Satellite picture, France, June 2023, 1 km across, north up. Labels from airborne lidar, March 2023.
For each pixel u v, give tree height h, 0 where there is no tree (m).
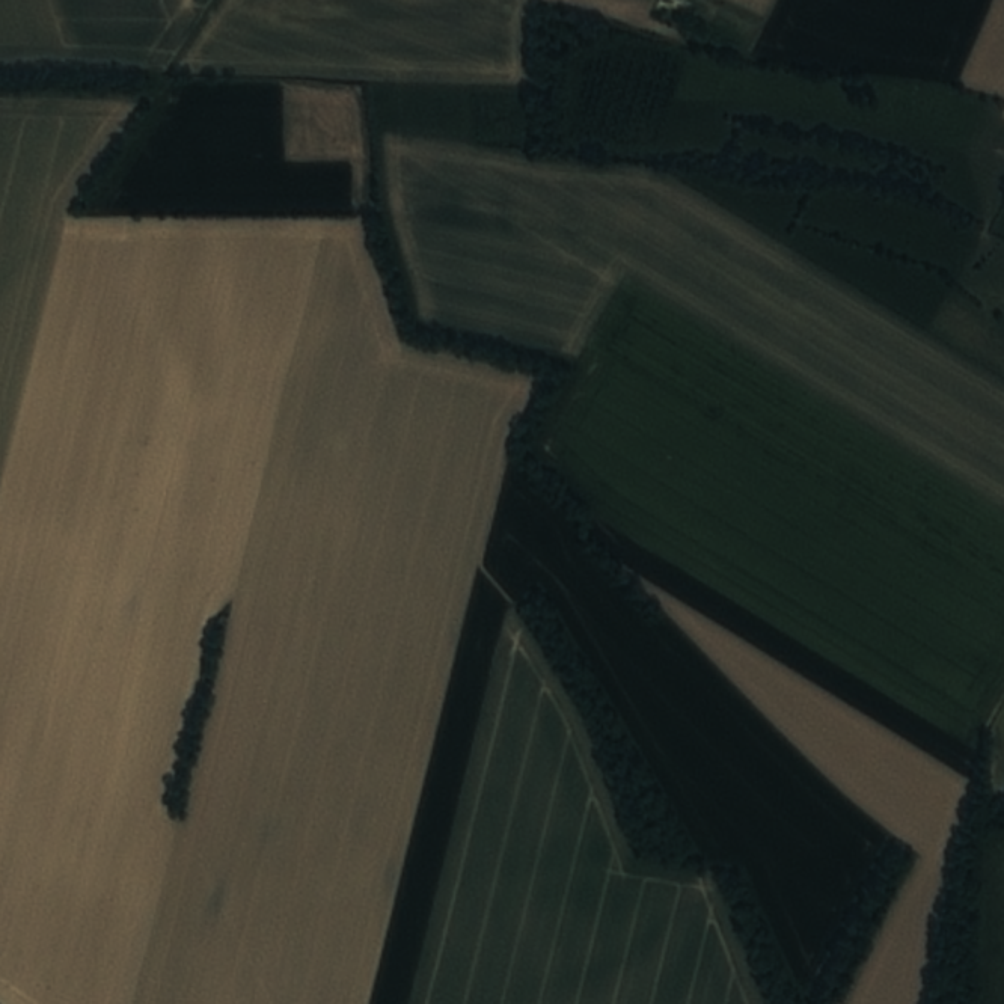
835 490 0
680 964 0
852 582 0
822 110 0
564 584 0
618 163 10
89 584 0
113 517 0
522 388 0
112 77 20
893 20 0
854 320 0
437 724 0
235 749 0
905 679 0
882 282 0
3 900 0
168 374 0
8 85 14
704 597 0
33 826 0
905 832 0
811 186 17
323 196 0
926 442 0
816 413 0
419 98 0
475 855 0
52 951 0
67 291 0
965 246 0
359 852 0
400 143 0
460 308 0
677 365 0
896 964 0
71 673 0
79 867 0
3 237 0
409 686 0
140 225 0
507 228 0
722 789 0
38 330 0
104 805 0
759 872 0
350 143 0
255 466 0
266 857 0
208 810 0
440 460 0
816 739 0
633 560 0
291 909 0
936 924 16
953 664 0
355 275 0
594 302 0
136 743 0
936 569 0
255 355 0
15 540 0
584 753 0
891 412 0
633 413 0
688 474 0
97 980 0
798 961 0
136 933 0
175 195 0
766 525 0
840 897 0
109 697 0
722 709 0
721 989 0
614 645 0
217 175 0
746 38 0
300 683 0
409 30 0
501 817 0
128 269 0
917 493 0
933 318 0
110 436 0
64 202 0
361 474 0
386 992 0
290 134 0
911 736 0
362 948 0
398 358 0
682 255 0
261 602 0
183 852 0
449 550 0
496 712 0
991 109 0
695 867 19
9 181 0
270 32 0
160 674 0
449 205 0
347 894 0
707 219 0
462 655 0
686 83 0
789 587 0
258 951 0
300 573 0
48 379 0
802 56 0
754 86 0
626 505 0
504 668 0
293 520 0
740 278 0
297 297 0
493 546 0
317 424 0
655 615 18
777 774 0
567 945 0
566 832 0
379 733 0
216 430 0
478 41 0
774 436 0
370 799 0
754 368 0
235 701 0
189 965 0
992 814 10
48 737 0
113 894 0
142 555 0
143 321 0
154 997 0
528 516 0
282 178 0
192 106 0
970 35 0
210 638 17
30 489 0
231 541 0
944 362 0
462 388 0
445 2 0
